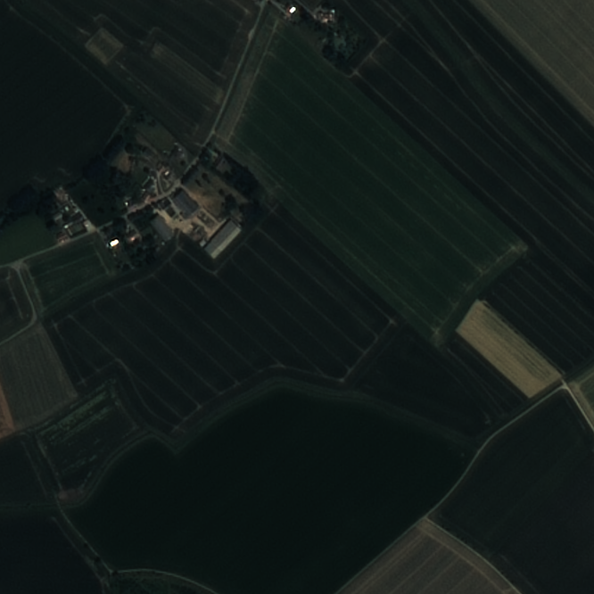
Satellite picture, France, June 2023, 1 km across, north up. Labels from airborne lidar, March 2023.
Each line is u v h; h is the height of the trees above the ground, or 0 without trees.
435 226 0
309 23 7
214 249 0
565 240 0
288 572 0
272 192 0
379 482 0
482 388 0
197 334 0
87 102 0
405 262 0
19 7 0
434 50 0
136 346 0
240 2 0
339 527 0
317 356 0
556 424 0
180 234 0
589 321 0
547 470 0
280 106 0
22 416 0
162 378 0
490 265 0
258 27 0
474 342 0
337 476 0
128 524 0
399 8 0
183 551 0
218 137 0
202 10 0
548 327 0
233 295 0
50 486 0
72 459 0
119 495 0
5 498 0
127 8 0
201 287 0
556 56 0
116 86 0
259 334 0
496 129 0
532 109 0
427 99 0
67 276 0
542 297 0
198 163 10
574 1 0
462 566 0
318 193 0
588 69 0
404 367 0
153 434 0
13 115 0
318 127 0
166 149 0
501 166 0
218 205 0
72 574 0
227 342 0
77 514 0
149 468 0
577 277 0
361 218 0
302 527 0
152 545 0
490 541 0
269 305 0
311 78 0
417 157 0
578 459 0
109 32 0
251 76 0
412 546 0
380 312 0
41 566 0
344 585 0
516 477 0
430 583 0
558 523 0
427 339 0
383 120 0
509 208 0
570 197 0
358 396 0
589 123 0
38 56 0
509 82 0
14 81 0
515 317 0
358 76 0
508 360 0
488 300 0
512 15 0
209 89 0
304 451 0
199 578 0
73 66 0
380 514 0
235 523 0
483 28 0
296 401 0
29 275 0
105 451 0
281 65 0
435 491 0
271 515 0
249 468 0
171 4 0
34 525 0
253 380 0
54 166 0
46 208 18
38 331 0
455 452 0
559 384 0
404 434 0
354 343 0
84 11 0
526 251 0
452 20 0
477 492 0
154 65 0
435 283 0
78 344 0
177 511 0
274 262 0
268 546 0
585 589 0
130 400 0
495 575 0
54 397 0
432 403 0
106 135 0
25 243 0
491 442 0
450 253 0
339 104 0
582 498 0
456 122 0
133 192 10
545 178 0
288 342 0
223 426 0
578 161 0
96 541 0
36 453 0
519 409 0
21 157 0
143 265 8
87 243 0
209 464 0
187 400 0
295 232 0
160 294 0
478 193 0
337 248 0
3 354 0
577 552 0
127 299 0
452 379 0
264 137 0
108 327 0
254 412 0
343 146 0
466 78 0
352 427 0
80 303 0
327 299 0
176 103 0
